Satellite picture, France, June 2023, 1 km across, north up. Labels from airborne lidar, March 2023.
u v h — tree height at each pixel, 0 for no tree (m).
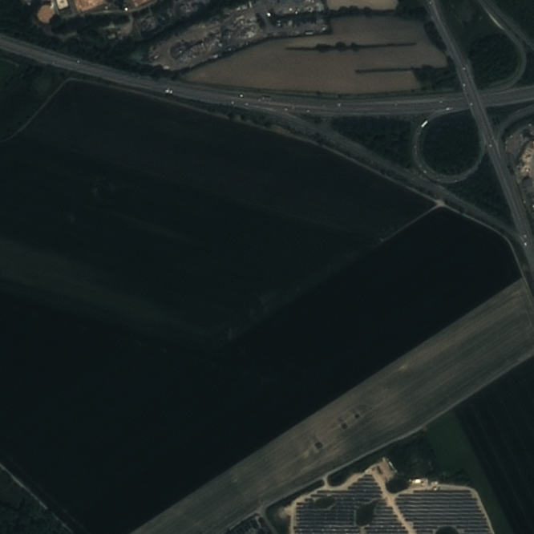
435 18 0
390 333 0
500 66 9
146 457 0
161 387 0
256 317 0
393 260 0
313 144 0
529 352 0
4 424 0
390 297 0
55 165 0
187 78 0
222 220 0
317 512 0
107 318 0
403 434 0
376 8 0
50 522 22
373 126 15
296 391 0
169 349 0
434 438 0
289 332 0
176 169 0
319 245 0
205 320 0
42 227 0
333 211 0
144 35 13
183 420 0
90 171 0
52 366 0
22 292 0
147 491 0
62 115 0
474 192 13
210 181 0
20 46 0
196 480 0
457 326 0
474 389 0
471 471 0
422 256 0
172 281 0
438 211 0
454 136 18
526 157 0
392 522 0
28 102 0
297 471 0
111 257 0
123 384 0
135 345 0
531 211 0
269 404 0
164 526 0
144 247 0
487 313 0
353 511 0
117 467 0
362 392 0
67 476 0
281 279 0
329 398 0
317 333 0
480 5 0
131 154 0
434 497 0
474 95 0
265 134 0
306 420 0
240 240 0
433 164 8
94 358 0
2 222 0
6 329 0
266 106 0
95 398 0
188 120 0
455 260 0
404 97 0
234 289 0
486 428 0
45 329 0
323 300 0
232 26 0
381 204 0
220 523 0
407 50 0
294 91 0
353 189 0
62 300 0
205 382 0
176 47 0
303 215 0
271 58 0
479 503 0
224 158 0
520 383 0
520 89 0
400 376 0
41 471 0
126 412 0
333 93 0
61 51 0
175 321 0
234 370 0
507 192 0
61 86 0
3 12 18
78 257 0
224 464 0
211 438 0
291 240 0
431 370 0
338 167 0
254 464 0
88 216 0
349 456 0
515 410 0
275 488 0
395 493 0
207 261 0
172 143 0
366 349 0
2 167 0
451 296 0
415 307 0
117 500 0
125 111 0
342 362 0
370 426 0
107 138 0
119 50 19
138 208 0
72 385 0
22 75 6
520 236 0
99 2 0
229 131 0
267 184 0
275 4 0
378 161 0
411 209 0
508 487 0
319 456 0
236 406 0
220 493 0
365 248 0
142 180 0
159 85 0
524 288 0
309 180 0
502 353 0
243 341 0
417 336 0
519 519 0
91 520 0
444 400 0
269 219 0
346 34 0
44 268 0
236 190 0
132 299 0
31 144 0
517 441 0
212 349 0
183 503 0
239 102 0
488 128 0
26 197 0
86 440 0
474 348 0
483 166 9
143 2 0
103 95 0
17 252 0
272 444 0
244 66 0
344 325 0
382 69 0
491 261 0
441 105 0
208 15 14
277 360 0
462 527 0
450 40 0
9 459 0
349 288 0
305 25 0
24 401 0
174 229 0
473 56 11
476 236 0
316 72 0
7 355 0
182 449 0
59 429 0
